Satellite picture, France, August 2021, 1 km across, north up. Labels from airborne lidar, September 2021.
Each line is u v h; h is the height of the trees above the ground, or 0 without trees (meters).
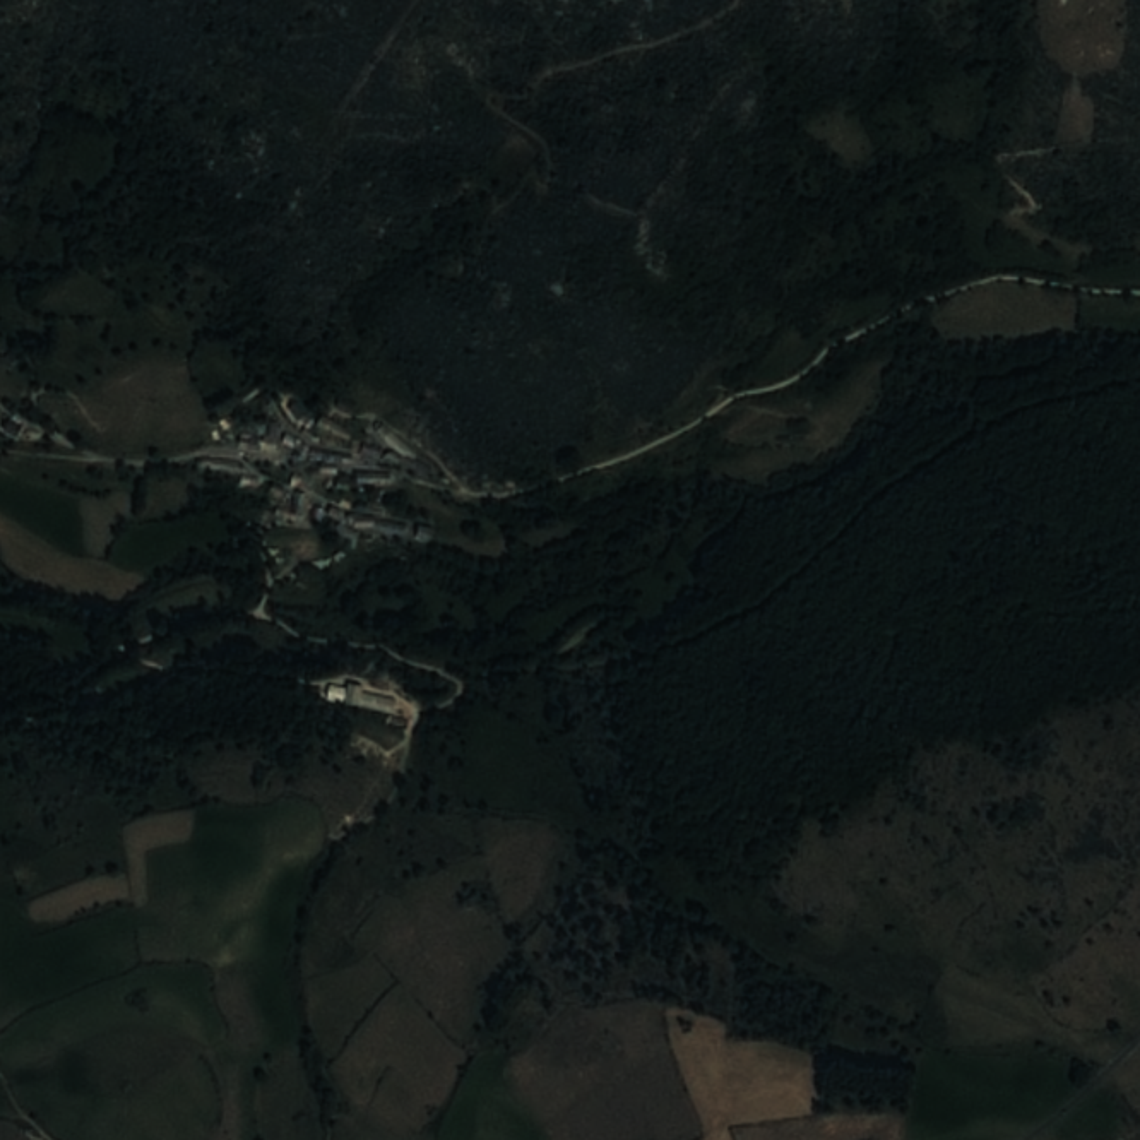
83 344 0
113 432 0
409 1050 0
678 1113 0
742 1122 0
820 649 12
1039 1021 0
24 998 0
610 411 0
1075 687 10
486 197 11
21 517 0
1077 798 0
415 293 0
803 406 0
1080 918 0
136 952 0
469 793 0
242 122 7
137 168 12
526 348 0
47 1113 0
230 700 15
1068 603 9
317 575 7
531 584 10
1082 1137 0
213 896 0
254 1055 0
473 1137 0
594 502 9
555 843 0
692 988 12
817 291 5
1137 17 0
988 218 0
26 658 18
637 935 12
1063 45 0
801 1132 0
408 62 0
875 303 0
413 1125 0
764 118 8
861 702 12
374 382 0
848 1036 0
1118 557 14
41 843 0
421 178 8
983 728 10
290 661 12
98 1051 0
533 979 15
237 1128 0
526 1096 0
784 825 11
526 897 0
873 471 13
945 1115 0
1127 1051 0
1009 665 10
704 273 7
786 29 5
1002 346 10
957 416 21
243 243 7
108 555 7
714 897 0
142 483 14
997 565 11
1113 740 0
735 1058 0
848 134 0
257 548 9
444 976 0
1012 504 12
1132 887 0
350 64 0
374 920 0
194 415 0
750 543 15
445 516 0
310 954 0
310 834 0
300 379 12
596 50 7
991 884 0
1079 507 11
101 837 0
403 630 18
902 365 7
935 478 14
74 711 13
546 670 6
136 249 8
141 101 15
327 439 0
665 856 10
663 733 13
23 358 9
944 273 8
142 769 8
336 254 6
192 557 8
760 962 15
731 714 13
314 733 9
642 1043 0
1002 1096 0
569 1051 0
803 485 12
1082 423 14
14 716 9
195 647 13
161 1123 0
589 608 6
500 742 0
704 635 14
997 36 17
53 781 0
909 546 12
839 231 14
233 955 0
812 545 13
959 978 0
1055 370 17
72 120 19
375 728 0
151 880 0
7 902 0
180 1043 0
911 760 6
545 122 7
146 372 0
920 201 10
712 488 14
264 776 7
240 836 0
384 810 12
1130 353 19
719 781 11
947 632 16
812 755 18
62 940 0
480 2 0
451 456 0
